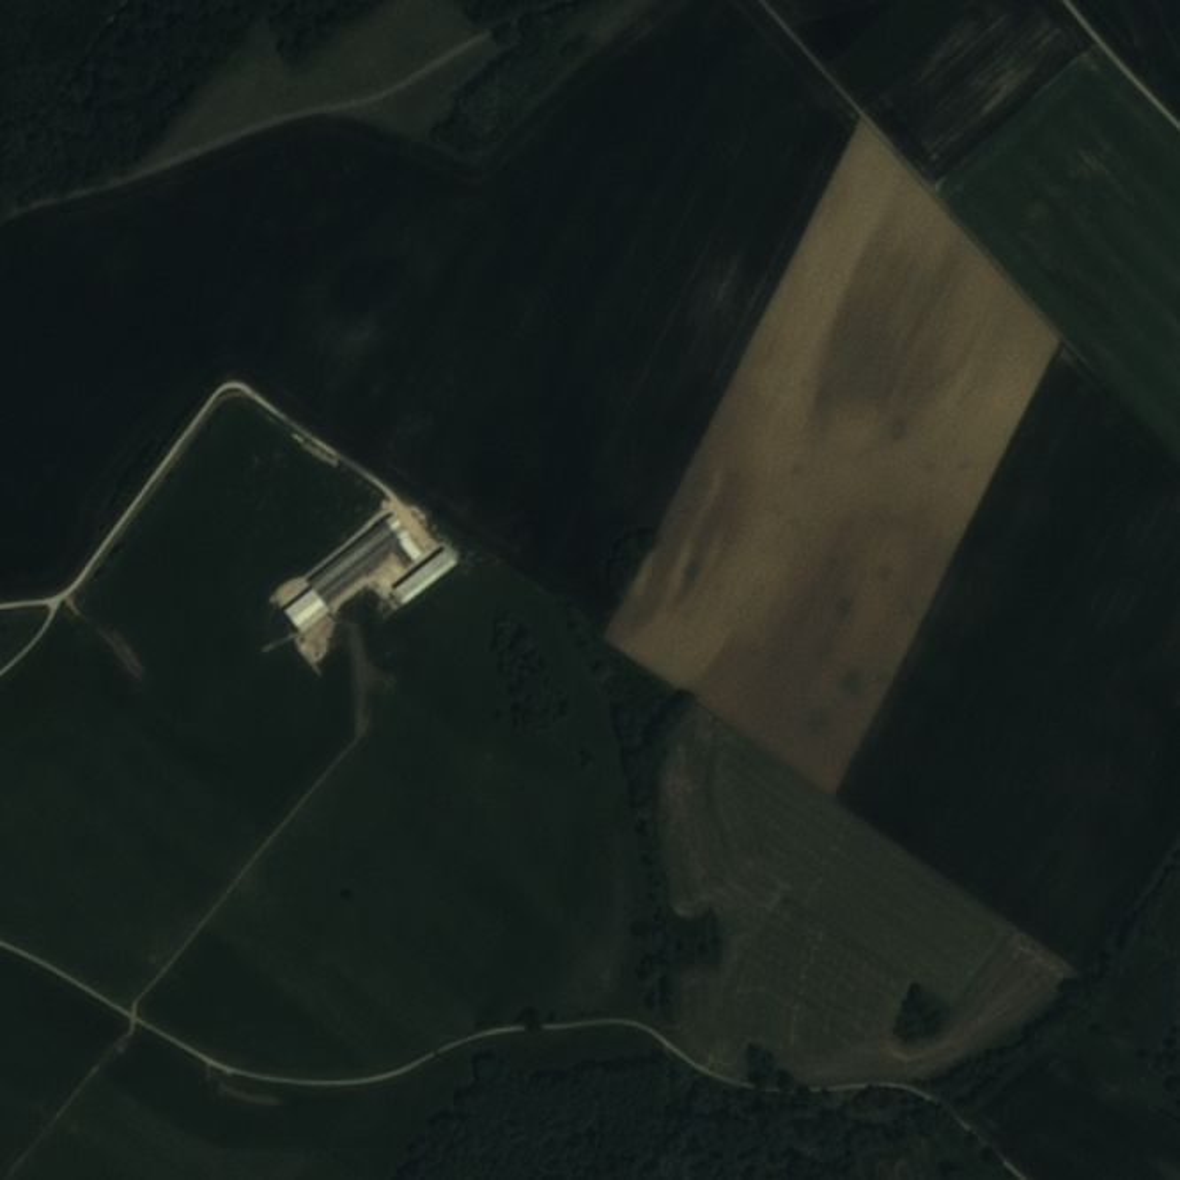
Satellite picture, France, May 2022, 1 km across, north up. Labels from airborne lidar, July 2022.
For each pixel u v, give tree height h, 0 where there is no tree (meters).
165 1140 0
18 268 0
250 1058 0
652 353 0
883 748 0
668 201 0
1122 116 0
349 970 0
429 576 0
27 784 0
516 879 0
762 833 0
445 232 0
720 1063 0
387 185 0
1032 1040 19
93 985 0
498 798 0
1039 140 0
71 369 0
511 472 0
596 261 0
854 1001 0
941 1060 0
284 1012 0
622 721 22
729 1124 26
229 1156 0
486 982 0
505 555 0
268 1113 0
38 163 27
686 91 0
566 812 0
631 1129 21
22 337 0
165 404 0
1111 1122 0
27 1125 0
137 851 0
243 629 0
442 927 0
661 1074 19
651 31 0
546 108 0
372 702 0
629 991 0
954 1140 0
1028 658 0
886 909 0
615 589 9
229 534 0
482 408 0
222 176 0
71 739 0
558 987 0
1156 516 0
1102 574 0
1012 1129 0
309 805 0
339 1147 0
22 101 21
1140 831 0
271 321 0
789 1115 7
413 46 0
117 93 27
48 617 0
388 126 0
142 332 0
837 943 0
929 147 0
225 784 0
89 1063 0
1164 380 0
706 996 0
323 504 0
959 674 0
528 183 0
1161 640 0
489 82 16
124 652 0
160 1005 0
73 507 0
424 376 0
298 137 0
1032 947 0
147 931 0
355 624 0
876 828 0
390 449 0
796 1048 0
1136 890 0
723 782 0
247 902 0
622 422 0
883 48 0
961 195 0
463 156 9
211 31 25
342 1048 0
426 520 0
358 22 11
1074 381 0
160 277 0
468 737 0
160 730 0
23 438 0
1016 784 0
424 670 0
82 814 0
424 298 0
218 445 0
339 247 0
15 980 0
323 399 0
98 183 17
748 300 0
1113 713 0
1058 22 0
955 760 0
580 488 0
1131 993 0
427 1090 0
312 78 0
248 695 0
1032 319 0
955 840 0
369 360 0
